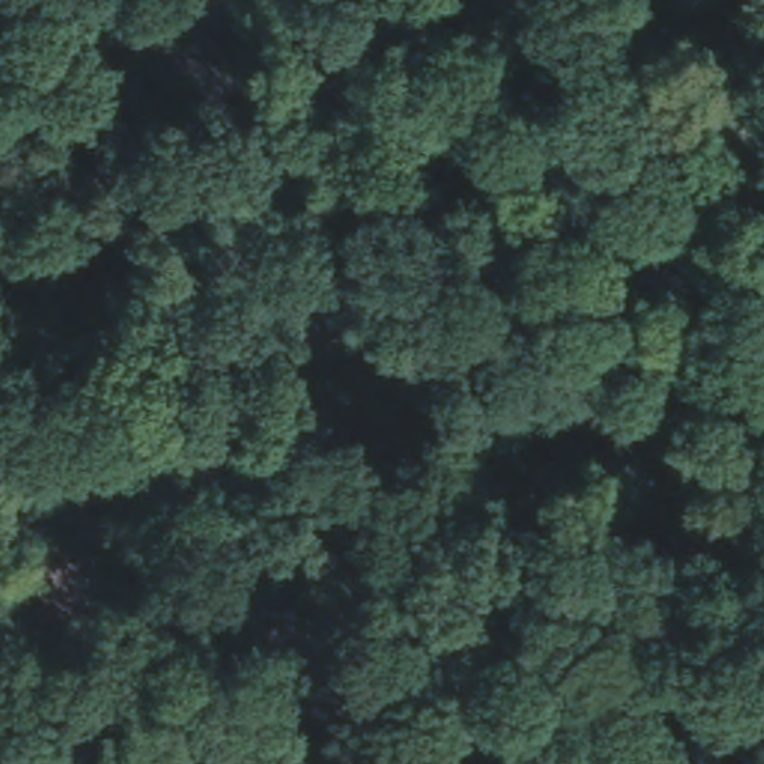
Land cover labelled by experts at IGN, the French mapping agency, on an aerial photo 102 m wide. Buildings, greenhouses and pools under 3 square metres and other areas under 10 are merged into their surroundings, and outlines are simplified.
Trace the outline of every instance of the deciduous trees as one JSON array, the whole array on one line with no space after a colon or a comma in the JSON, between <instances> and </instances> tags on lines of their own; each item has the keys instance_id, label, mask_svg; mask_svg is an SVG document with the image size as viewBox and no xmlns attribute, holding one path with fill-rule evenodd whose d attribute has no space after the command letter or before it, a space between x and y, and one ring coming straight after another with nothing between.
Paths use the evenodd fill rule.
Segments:
<instances>
[{"instance_id":1,"label":"deciduous trees","mask_svg":"<svg viewBox=\"0 0 764 764\"><path fill-rule=\"evenodd\" d=\"M764 764L764 0L0 0L0 764Z\"/></svg>"}]
</instances>

